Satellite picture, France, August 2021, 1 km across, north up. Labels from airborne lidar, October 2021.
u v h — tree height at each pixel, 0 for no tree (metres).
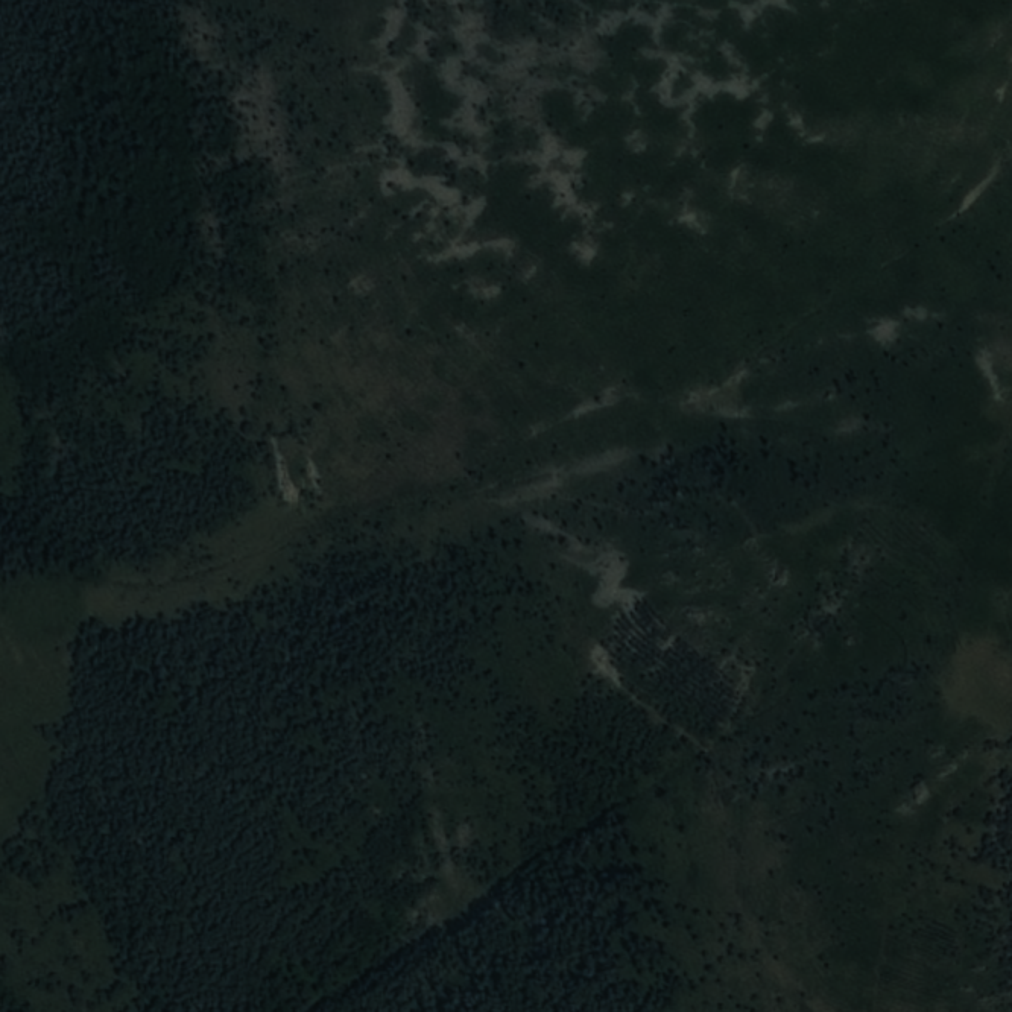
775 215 0
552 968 23
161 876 12
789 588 0
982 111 0
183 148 6
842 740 0
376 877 8
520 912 24
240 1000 15
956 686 0
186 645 13
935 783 0
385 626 11
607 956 17
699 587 0
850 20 0
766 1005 0
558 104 0
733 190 0
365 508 0
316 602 8
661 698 14
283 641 12
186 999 23
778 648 0
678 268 0
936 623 0
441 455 0
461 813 0
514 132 0
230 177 5
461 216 0
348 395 0
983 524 0
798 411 0
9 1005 9
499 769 8
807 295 0
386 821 8
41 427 6
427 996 19
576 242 0
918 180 0
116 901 14
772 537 0
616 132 0
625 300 0
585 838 14
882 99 0
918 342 0
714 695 7
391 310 0
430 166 0
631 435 0
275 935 13
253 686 7
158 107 10
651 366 0
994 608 0
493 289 0
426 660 9
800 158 0
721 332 0
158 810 13
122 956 8
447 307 0
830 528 0
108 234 8
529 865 14
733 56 0
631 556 0
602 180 0
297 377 0
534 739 12
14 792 0
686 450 0
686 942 0
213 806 12
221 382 0
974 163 0
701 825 0
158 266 7
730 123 0
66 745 12
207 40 8
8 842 7
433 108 0
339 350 0
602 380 0
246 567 0
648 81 0
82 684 9
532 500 0
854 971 0
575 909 20
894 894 0
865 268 0
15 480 6
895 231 0
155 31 8
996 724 0
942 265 0
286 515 0
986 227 0
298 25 0
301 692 14
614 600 0
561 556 0
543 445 0
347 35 0
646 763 18
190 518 11
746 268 0
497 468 0
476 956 19
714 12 0
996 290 0
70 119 7
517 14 0
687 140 0
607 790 18
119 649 14
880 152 0
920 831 0
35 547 16
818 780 0
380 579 6
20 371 8
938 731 0
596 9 0
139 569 6
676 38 0
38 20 18
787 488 0
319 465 0
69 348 6
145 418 8
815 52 0
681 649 6
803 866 0
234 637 13
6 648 0
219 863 14
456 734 0
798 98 0
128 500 7
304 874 0
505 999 25
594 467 0
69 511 12
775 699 0
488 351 0
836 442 0
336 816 8
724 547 0
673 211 0
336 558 9
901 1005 0
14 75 19
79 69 7
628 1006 20
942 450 0
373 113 0
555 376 0
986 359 0
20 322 14
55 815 13
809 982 0
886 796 0
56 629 0
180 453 6
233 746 14
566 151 0
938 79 0
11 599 0
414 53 0
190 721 12
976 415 0
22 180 11
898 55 0
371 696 7
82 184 7
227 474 9
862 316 0
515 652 0
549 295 0
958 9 0
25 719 0
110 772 12
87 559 9
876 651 0
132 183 9
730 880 0
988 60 0
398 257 0
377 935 11
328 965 13
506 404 0
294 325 0
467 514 0
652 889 13
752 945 0
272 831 11
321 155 0
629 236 0
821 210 0
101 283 13
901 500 0
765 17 0
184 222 6
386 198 0
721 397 0
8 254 7
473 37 0
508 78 0
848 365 0
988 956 7
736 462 10
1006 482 0
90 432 7
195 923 8
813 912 0
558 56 0
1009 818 13
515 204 0
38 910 8
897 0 0
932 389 0
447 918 0
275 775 11
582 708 8
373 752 7
